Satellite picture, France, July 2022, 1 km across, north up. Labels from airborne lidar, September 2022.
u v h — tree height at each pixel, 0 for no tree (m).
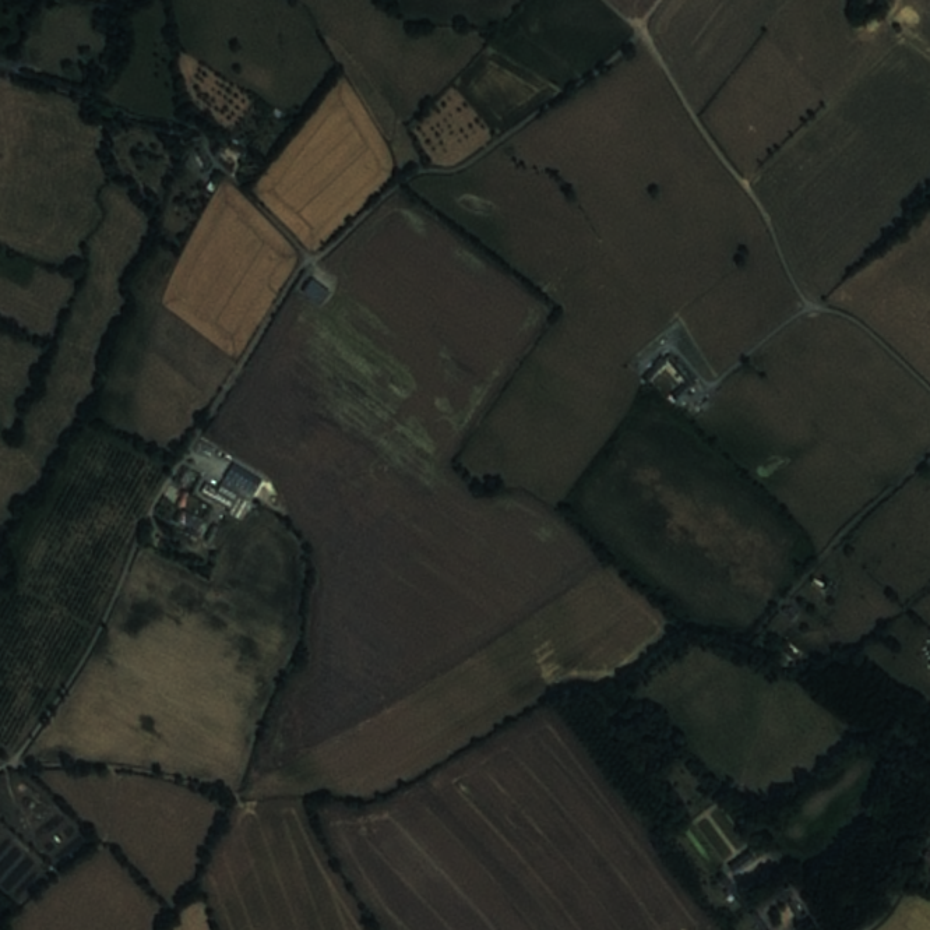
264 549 0
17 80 16
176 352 0
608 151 0
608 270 0
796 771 0
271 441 0
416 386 0
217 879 0
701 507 0
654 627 0
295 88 0
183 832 0
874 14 18
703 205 0
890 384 0
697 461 0
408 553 0
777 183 0
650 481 0
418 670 0
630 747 27
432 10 0
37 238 0
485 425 0
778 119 0
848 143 0
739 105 0
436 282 0
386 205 0
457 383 0
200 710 0
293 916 0
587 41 0
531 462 0
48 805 0
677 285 0
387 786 0
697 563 0
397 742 0
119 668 0
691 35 0
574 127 0
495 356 0
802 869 14
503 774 0
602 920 0
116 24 10
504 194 0
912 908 0
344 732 0
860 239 0
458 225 15
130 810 0
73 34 0
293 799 0
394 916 0
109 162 16
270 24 0
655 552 0
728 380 0
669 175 0
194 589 0
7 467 0
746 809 13
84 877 0
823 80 0
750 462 0
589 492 0
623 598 0
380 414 0
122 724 0
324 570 0
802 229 0
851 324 0
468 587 0
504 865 0
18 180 0
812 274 0
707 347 0
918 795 22
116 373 0
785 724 0
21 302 0
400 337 0
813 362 0
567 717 27
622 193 0
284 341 0
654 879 0
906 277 0
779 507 8
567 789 0
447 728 0
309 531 0
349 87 0
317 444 0
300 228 0
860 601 0
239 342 0
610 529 0
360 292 0
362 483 0
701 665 0
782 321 0
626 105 0
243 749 0
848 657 14
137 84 0
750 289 0
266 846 0
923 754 22
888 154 0
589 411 0
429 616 0
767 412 0
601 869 0
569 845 0
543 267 0
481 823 0
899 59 0
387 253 0
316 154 0
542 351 0
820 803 0
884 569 0
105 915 0
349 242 0
